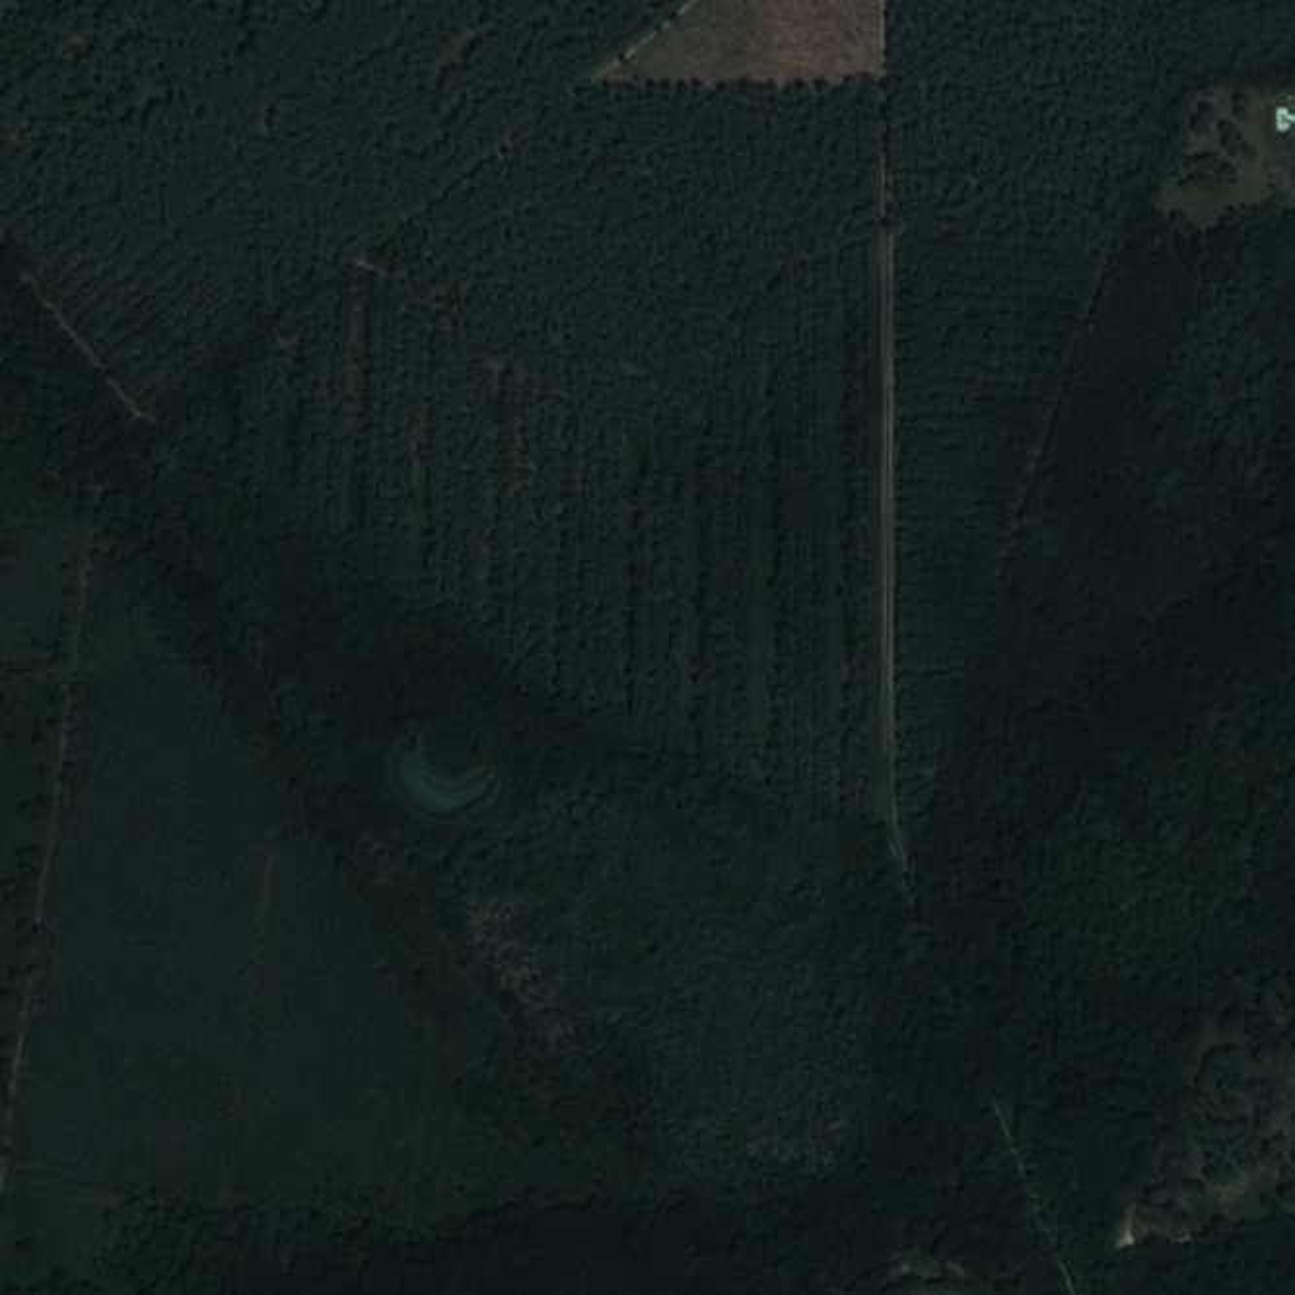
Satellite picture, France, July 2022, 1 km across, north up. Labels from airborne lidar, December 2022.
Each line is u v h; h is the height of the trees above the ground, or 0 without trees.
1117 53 26
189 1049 7
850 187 23
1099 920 16
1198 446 23
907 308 11
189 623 14
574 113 19
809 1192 13
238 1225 16
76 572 16
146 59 20
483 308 20
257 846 6
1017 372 17
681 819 22
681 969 22
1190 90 18
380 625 18
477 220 21
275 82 25
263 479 18
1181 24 23
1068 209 24
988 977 26
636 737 19
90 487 17
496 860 26
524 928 17
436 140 24
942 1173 17
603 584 17
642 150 21
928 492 16
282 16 24
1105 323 17
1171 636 12
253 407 18
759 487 14
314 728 20
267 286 22
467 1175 7
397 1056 6
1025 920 18
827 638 14
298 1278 15
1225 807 18
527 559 15
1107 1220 24
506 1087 7
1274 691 14
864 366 14
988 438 17
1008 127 22
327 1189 7
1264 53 24
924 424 17
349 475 15
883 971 17
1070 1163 23
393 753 16
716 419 18
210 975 6
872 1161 22
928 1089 21
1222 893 16
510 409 17
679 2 24
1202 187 19
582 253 23
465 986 6
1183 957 12
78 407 13
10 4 0
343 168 26
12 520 16
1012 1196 20
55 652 15
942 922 25
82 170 25
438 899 11
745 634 17
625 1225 15
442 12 23
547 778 20
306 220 23
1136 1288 22
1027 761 18
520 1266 19
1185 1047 23
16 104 28
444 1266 16
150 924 7
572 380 19
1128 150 27
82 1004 7
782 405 17
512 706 19
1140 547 18
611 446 18
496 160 10
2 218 15
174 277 16
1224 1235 19
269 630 19
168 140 22
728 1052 20
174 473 25
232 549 21
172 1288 16
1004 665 20
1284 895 17
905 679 15
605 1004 18
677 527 16
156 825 6
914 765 16
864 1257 15
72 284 15
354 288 17
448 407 15
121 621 7
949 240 12
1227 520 22
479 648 20
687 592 13
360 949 6
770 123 23
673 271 19
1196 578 20
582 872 18
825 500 16
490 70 26
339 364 19
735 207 19
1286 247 20
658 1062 18
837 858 23
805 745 16
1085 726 16
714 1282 19
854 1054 23
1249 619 12
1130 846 17
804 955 16
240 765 6
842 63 0
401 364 18
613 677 19
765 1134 16
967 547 16
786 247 23
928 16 20
